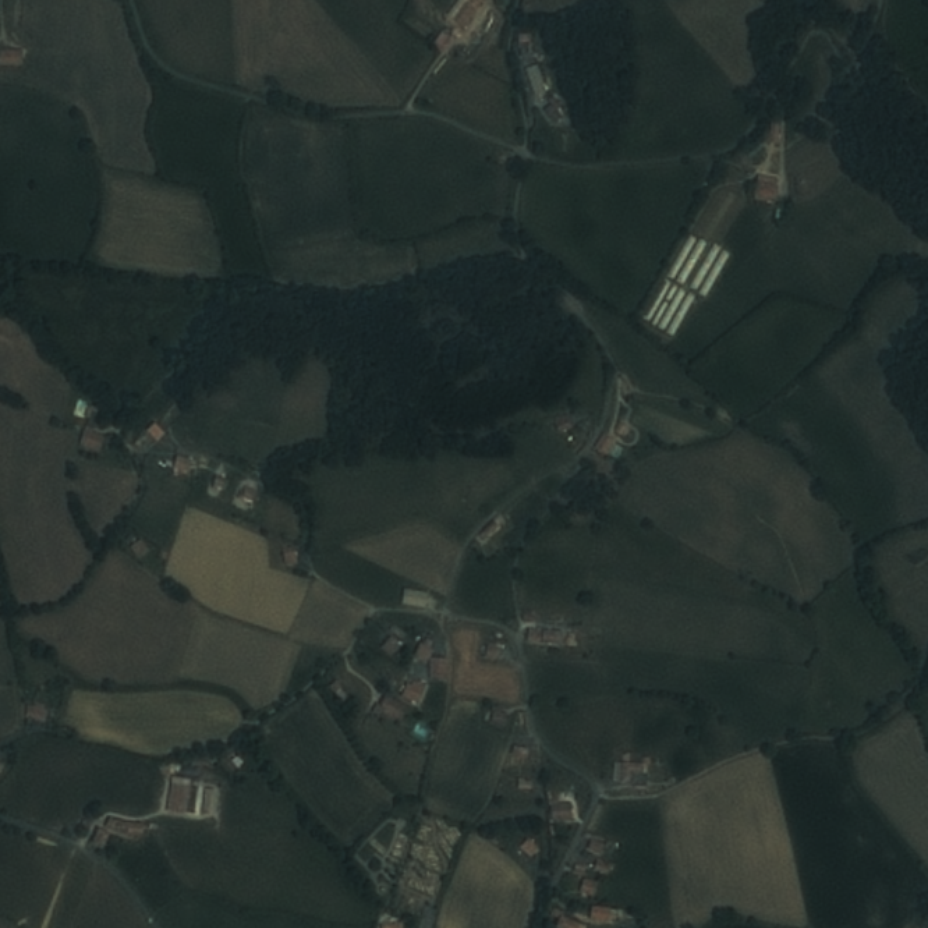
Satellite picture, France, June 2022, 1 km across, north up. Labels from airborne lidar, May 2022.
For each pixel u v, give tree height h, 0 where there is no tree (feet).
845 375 0
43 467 0
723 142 0
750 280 0
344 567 0
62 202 0
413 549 0
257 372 0
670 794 0
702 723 0
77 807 0
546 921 49
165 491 0
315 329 71
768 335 0
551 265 57
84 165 0
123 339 0
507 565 0
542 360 35
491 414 45
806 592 0
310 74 0
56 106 0
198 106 0
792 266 0
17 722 0
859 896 0
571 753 0
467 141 0
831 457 0
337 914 0
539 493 0
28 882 0
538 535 67
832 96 41
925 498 0
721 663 0
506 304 46
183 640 0
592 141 58
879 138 96
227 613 0
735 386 0
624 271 0
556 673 0
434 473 0
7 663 0
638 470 0
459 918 0
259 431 0
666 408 0
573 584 0
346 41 0
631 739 0
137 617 0
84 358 0
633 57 35
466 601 0
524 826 72
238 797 0
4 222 0
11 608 47
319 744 0
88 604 0
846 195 0
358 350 67
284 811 0
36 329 72
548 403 41
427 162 0
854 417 0
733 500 0
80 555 0
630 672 0
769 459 0
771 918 0
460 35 0
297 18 0
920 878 0
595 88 73
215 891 0
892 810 0
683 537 0
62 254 0
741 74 0
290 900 0
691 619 0
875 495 0
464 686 0
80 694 0
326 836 49
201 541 0
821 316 0
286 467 58
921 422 75
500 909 0
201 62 0
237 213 0
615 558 0
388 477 0
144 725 0
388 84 0
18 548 0
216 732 0
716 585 0
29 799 0
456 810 0
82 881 0
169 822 0
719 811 0
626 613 0
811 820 0
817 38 0
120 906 0
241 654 0
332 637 0
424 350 72
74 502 44
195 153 0
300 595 0
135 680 0
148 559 0
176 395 66
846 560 0
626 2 24
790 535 0
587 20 68
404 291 70
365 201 0
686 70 0
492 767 0
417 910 0
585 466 28
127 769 0
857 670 0
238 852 0
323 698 29
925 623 0
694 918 0
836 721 0
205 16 0
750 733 0
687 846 0
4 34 0
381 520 0
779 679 0
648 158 0
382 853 0
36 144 0
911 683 18
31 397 0
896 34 0
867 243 0
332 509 0
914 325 47
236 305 79
